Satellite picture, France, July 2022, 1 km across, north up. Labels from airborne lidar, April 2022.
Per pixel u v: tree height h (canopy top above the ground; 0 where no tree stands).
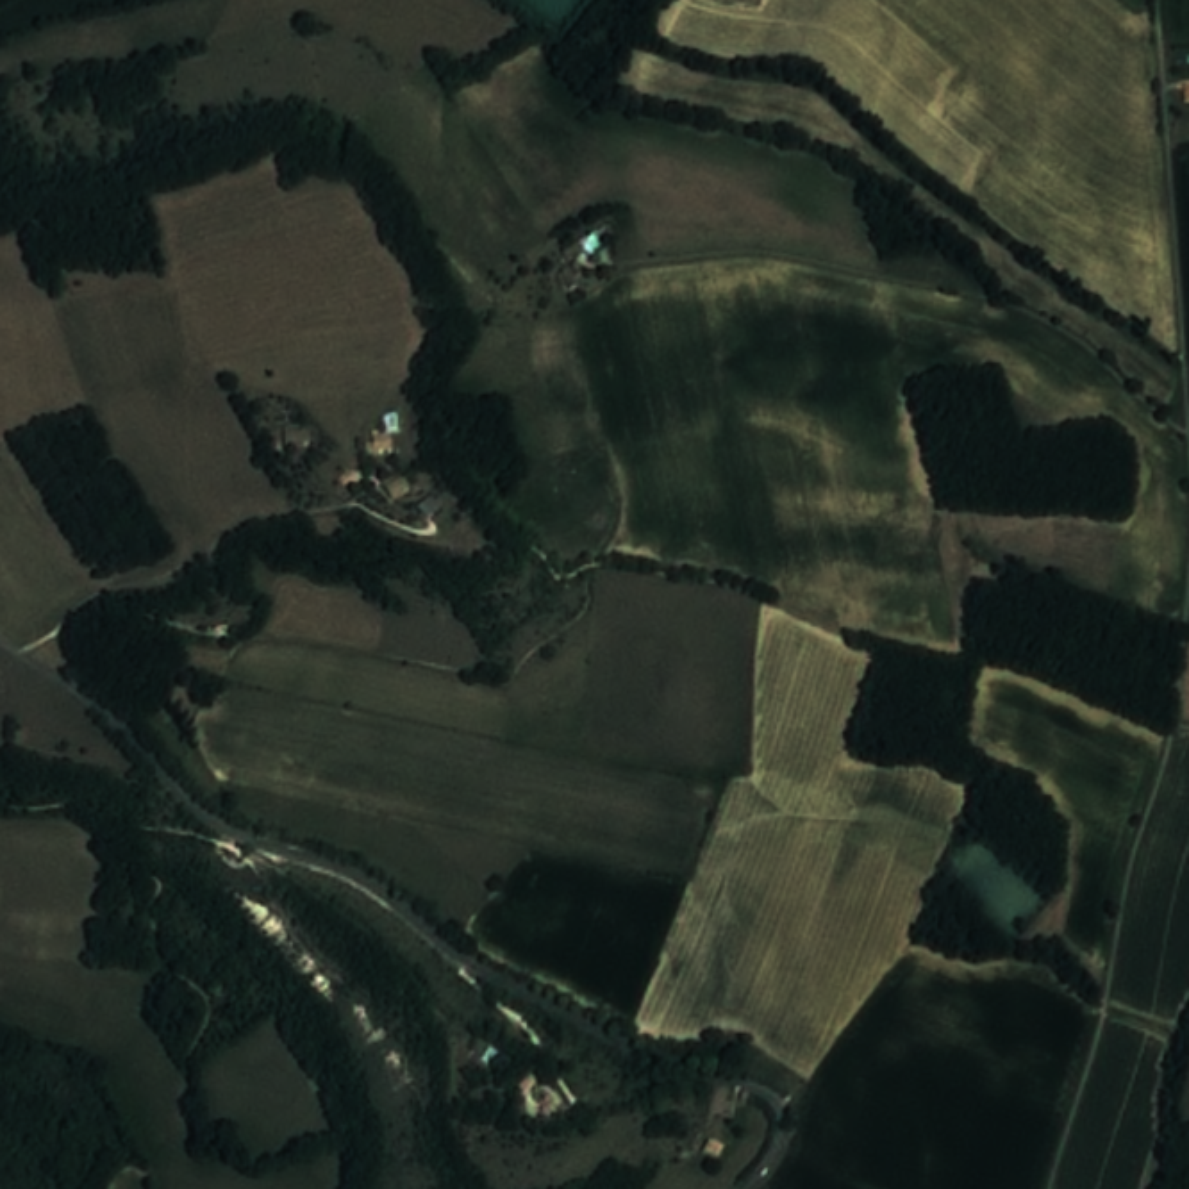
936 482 13
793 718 0
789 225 0
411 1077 0
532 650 0
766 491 0
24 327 0
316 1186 0
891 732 21
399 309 0
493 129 0
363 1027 0
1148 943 0
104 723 11
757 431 0
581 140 0
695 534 0
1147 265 0
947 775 14
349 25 0
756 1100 7
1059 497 14
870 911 0
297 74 0
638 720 0
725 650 0
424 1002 6
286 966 7
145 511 14
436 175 0
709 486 0
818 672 0
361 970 8
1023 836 15
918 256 0
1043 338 0
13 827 0
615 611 0
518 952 0
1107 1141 0
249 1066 0
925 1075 0
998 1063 0
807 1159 0
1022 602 21
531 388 0
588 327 0
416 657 0
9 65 0
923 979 0
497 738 0
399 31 0
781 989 0
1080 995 10
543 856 0
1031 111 0
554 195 0
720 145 0
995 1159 0
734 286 0
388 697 0
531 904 0
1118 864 0
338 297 0
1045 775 0
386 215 16
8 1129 12
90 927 14
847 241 0
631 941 0
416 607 0
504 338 0
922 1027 0
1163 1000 0
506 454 24
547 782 0
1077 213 0
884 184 22
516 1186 0
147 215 14
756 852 0
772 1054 0
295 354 0
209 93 0
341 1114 19
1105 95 0
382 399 0
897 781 0
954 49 0
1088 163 0
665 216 0
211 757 0
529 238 0
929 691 15
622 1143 0
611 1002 0
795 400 0
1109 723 0
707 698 0
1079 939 0
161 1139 0
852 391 0
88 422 13
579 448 0
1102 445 17
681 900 0
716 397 0
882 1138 0
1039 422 0
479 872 0
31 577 0
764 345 0
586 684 0
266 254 0
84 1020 0
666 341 0
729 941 0
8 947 0
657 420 0
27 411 0
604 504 0
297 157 11
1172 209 0
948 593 0
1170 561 0
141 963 19
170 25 0
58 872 0
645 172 0
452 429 17
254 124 12
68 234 14
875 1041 0
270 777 0
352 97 0
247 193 0
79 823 14
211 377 0
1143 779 0
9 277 0
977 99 0
